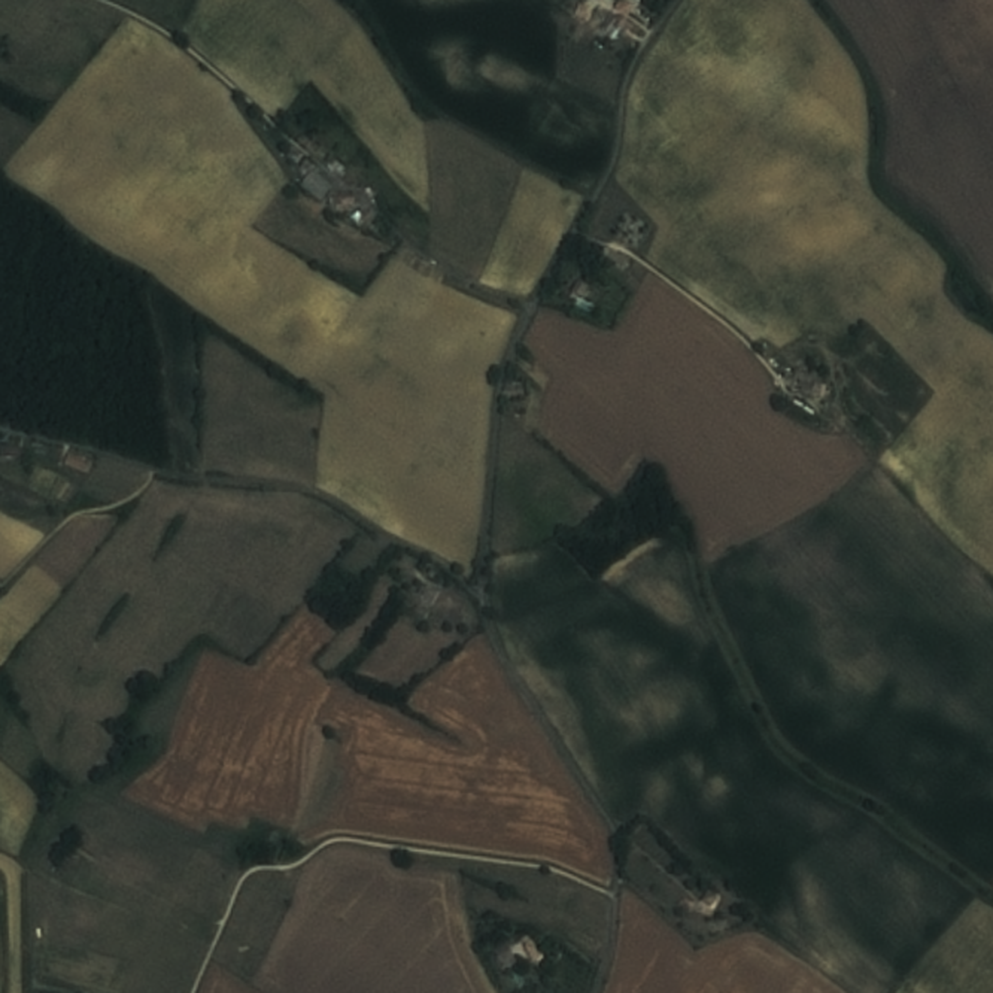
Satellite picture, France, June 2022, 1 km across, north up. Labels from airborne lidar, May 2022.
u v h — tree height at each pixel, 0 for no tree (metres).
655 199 0
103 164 0
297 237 0
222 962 0
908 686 0
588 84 0
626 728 0
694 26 0
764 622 0
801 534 0
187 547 0
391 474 0
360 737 0
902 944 0
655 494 18
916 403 0
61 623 0
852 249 0
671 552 0
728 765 0
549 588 0
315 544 0
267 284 0
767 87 0
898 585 0
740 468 0
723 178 0
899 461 0
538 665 0
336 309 0
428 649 0
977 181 0
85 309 20
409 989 0
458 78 0
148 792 0
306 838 0
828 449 0
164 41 0
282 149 16
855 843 0
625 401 0
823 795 0
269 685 0
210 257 0
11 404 20
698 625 0
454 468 0
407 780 0
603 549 16
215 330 7
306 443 0
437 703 0
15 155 0
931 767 0
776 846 0
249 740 0
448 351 0
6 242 20
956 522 0
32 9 0
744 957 0
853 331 10
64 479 0
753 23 0
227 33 0
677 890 0
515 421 0
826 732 0
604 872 0
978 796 0
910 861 0
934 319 0
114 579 0
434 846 0
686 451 0
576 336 0
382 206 7
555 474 0
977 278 0
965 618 0
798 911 0
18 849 0
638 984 0
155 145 0
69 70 0
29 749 0
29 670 0
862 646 0
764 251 0
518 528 0
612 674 0
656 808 0
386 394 0
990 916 0
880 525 0
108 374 13
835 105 0
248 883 0
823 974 0
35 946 0
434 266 0
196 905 0
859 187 0
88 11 0
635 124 0
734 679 0
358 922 0
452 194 0
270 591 0
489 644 0
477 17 0
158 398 14
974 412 0
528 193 0
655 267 0
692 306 0
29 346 12
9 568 0
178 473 0
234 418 0
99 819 0
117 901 0
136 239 0
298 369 0
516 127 0
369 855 0
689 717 0
